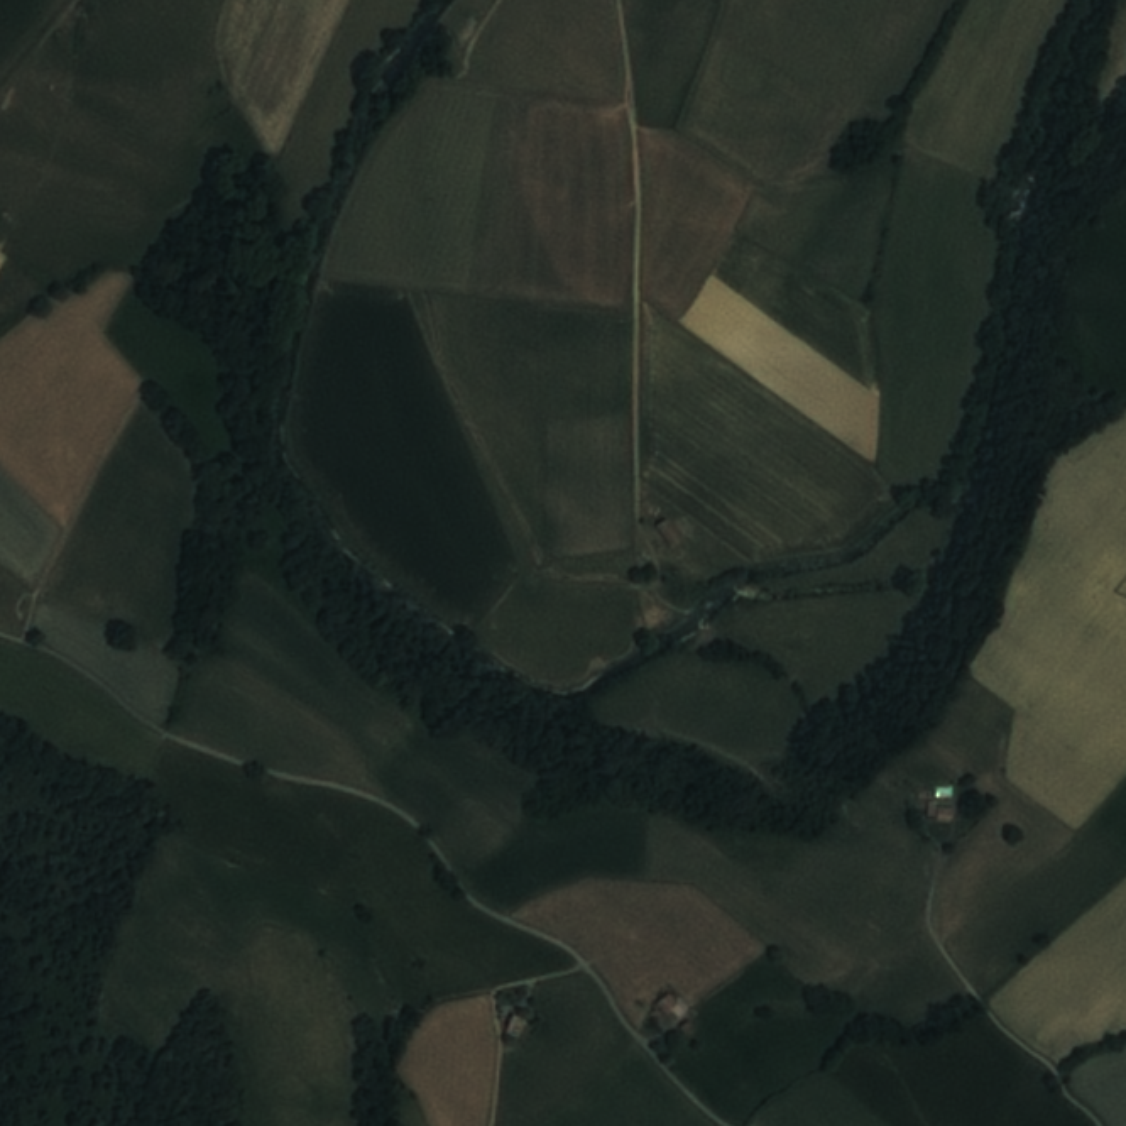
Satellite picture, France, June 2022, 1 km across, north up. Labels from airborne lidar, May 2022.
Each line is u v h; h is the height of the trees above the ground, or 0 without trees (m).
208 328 21
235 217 29
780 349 0
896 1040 20
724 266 0
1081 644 0
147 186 0
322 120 0
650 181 0
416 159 0
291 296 37
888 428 0
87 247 0
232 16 0
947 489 16
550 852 0
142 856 15
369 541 0
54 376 0
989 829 0
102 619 0
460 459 0
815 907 0
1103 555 0
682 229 0
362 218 0
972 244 0
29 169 0
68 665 0
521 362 0
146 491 0
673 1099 0
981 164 0
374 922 11
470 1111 0
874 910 0
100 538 0
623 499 0
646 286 0
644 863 0
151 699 0
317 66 0
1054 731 0
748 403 0
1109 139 22
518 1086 0
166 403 16
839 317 0
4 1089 9
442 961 0
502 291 0
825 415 0
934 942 0
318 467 0
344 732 0
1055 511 0
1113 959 0
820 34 0
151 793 21
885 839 0
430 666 24
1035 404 10
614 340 0
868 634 0
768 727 0
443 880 14
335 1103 0
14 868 14
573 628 0
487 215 0
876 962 0
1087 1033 0
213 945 0
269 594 0
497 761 0
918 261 0
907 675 21
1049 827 0
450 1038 0
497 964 0
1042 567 0
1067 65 7
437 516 0
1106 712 0
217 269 15
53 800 9
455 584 0
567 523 0
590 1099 0
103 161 0
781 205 0
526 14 0
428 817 0
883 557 0
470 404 0
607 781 28
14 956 12
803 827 11
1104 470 0
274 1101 0
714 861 0
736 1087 0
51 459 0
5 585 0
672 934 0
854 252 0
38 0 0
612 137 0
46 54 0
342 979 0
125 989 0
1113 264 0
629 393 0
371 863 0
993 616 21
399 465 0
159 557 0
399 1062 11
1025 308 21
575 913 0
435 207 0
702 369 0
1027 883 0
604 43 0
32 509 0
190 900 0
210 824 0
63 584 0
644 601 0
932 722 16
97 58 0
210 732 0
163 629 0
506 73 0
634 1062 0
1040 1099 0
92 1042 10
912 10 0
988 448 18
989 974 0
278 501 9
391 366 0
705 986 0
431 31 15
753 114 0
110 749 0
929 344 0
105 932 9
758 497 0
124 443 0
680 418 0
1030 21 0
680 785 21
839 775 22
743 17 0
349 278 0
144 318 0
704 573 0
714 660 13
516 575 0
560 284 0
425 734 0
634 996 0
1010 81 0
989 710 0
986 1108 0
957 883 0
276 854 0
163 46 0
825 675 0
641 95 0
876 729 24
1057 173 19
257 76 0
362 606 9
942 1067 0
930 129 0
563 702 22
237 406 21
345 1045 0
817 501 0
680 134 0
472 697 21
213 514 23
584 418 0
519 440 0
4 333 0
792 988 0
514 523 0
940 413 0
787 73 0
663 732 0
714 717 0
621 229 0
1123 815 0
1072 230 14
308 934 0
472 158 0
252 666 0
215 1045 15
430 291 0
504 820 0
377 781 0
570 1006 0
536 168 0
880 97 0
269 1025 0
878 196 0
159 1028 0
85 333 0
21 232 0
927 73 6
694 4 0
